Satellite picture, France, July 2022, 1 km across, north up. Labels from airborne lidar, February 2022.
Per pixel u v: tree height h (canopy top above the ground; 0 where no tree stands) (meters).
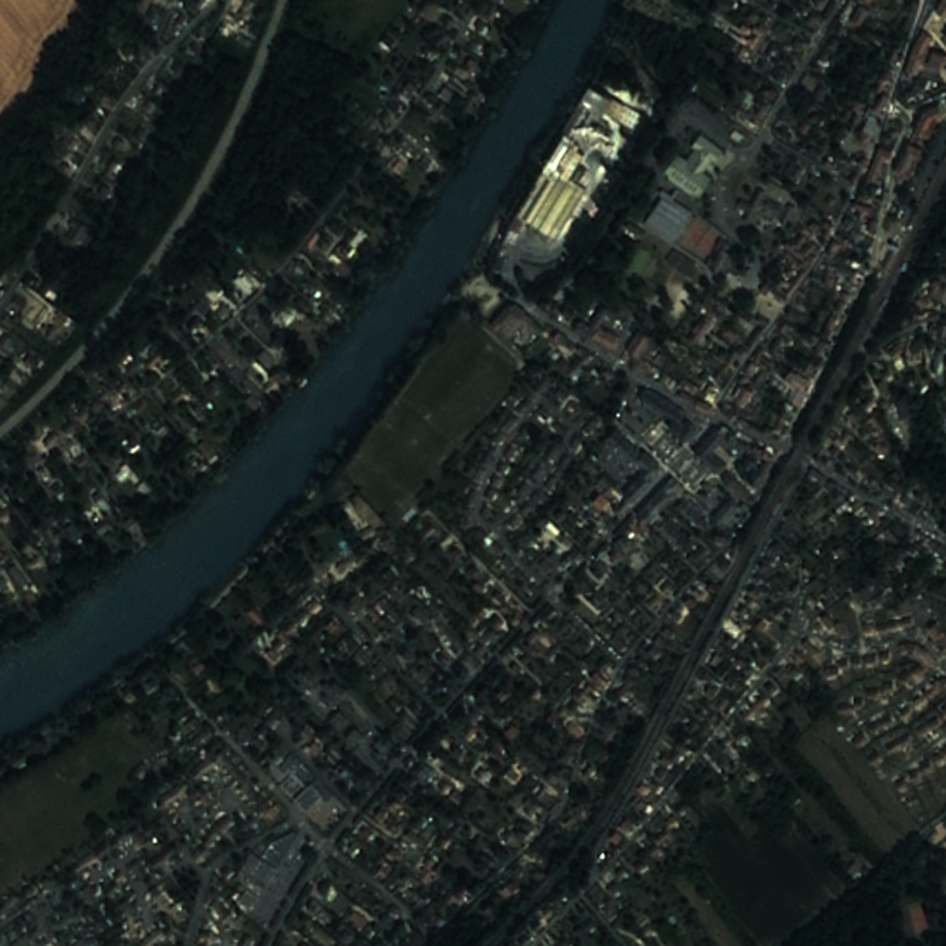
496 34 0
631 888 7
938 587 7
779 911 0
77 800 0
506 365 0
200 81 21
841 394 10
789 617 6
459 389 0
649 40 21
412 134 0
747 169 0
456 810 8
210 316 12
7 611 7
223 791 0
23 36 0
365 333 0
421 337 17
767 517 0
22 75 0
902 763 0
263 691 22
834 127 10
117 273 22
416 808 7
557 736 10
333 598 16
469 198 0
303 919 13
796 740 8
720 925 0
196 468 0
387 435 0
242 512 0
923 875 17
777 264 13
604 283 26
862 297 9
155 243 0
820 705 14
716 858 0
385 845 8
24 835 0
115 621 0
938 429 7
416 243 0
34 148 15
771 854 0
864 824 0
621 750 8
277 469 0
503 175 0
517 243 0
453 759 6
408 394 0
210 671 20
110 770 0
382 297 0
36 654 0
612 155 0
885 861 10
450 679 12
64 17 0
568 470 8
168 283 15
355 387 0
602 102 0
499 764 13
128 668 14
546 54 0
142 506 19
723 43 0
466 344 0
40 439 0
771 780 9
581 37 0
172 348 17
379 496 0
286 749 0
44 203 7
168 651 15
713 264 0
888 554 7
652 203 15
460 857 0
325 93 24
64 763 0
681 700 0
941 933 16
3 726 0
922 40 0
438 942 17
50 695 0
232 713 13
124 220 27
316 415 0
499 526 0
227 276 0
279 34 0
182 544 0
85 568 28
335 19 0
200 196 0
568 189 0
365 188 7
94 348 26
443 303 0
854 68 13
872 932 19
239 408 9
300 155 14
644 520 0
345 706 0
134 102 0
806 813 0
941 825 0
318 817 0
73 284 16
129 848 0
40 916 0
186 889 8
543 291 15
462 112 6
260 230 28
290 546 7
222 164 0
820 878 0
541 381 0
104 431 9
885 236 0
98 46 18
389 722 0
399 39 9
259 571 16
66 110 20
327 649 7
